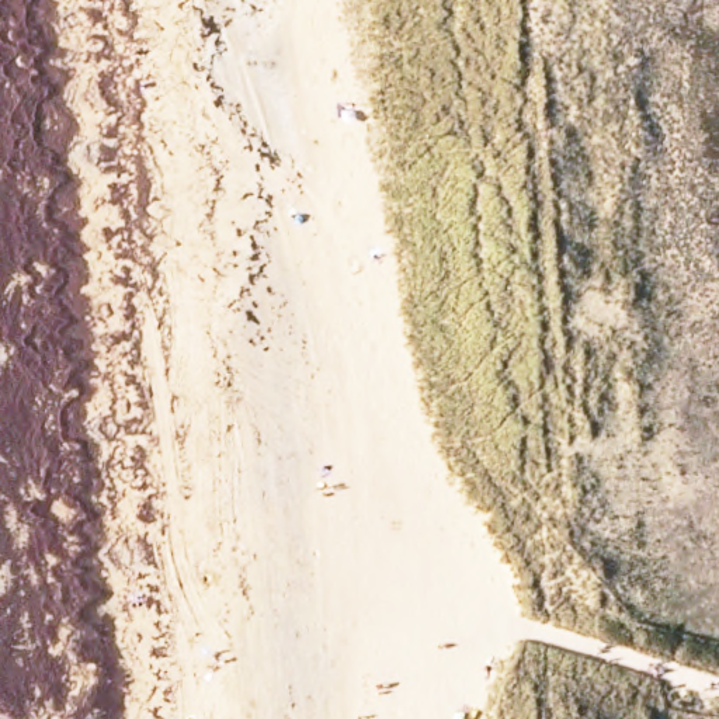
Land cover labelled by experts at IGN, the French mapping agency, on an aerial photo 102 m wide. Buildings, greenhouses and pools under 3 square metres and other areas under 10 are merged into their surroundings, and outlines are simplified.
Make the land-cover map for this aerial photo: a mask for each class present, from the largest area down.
<instances>
[{"label":"bare soil","instance_id":"1","mask_svg":"<svg viewBox=\"0 0 719 719\"><path fill-rule=\"evenodd\" d=\"M685 17L705 20L708 28H719V0H0V719H682L685 713H694L699 694L682 685H671L666 677H654L640 668L595 657L601 643L607 640L601 618H612L632 632L635 643L629 649L646 654L649 646L643 626L624 612L629 601H635L643 612L654 615L657 621L680 624L691 632L719 638V174L708 171L705 132L699 124V104L705 101V87L697 93L691 90L694 42L668 39V34L660 31V25L671 20L674 25H680V20Z\"/></svg>","mask_w":719,"mask_h":719},{"label":"brushwood","instance_id":"2","mask_svg":"<svg viewBox=\"0 0 719 719\"><path fill-rule=\"evenodd\" d=\"M624 612L643 626L649 646L646 654L668 657L705 674H719V638L691 632L680 624L657 621L654 615L643 612L635 601H629ZM607 640H615L618 646L629 649L635 643L632 632L612 618H601Z\"/></svg>","mask_w":719,"mask_h":719},{"label":"herbaceous vegetation","instance_id":"3","mask_svg":"<svg viewBox=\"0 0 719 719\"><path fill-rule=\"evenodd\" d=\"M660 31L668 34V39L694 42L691 90L697 93L705 87V101L699 104V124L705 132L708 171L719 174V28H708L705 20L685 17L680 20V25H674L671 20L660 25Z\"/></svg>","mask_w":719,"mask_h":719},{"label":"pervious surface","instance_id":"4","mask_svg":"<svg viewBox=\"0 0 719 719\"><path fill-rule=\"evenodd\" d=\"M595 657L640 668L654 677H666L671 685H682L699 694L694 713H685L682 719H719V674H705L668 657L646 654L629 649L618 646L615 640H607L601 643Z\"/></svg>","mask_w":719,"mask_h":719}]
</instances>
